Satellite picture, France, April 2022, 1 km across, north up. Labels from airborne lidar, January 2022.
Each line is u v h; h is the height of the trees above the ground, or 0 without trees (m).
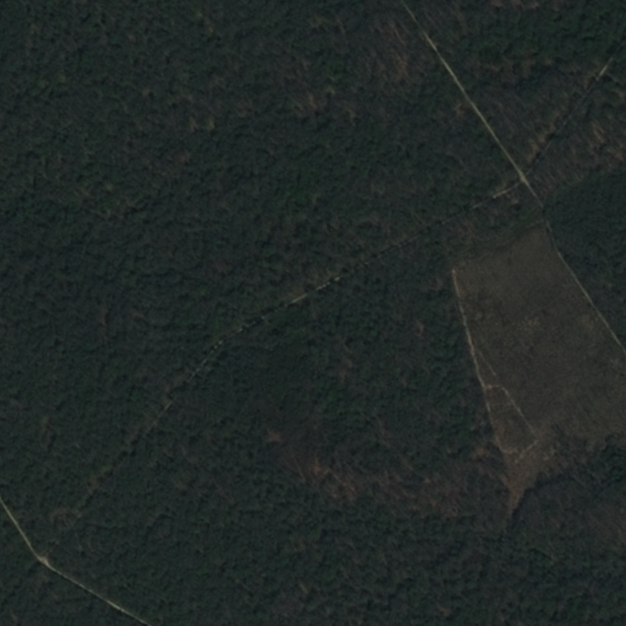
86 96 27
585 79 18
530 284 0
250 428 20
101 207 22
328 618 25
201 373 23
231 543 17
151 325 25
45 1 24
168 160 27
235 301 27
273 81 28
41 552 21
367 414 21
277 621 25
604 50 25
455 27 25
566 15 25
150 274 27
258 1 24
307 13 22
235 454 22
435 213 23
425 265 22
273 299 24
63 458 26
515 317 0
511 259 0
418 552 25
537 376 0
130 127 25
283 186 21
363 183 24
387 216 26
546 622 23
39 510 23
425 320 23
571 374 0
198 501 24
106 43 25
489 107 26
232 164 23
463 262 0
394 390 23
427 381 22
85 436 26
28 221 20
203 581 22
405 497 25
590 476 18
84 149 25
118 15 24
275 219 21
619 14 26
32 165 22
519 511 0
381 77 27
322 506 24
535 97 30
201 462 22
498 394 0
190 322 20
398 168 26
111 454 26
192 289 21
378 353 21
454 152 28
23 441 25
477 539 18
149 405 24
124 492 22
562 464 0
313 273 24
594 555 26
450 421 25
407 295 26
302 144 26
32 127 27
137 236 22
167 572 25
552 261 0
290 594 22
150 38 23
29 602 24
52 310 29
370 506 24
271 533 26
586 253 23
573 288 0
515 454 0
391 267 24
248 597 27
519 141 25
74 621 22
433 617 27
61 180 22
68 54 24
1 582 24
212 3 25
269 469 23
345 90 26
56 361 25
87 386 24
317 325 24
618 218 24
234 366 22
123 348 27
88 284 23
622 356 0
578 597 29
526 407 0
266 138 23
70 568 25
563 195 18
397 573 23
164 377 26
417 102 24
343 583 23
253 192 27
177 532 26
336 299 27
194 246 21
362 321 24
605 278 29
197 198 27
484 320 0
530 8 27
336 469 22
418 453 21
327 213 24
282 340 25
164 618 24
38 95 22
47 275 26
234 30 28
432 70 25
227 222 25
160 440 23
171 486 25
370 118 25
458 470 27
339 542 26
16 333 26
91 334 25
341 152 23
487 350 0
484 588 26
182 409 19
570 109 28
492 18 28
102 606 22
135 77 26
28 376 25
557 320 0
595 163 23
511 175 23
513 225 23
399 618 27
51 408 22
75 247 15
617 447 0
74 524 26
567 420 0
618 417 0
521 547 29
